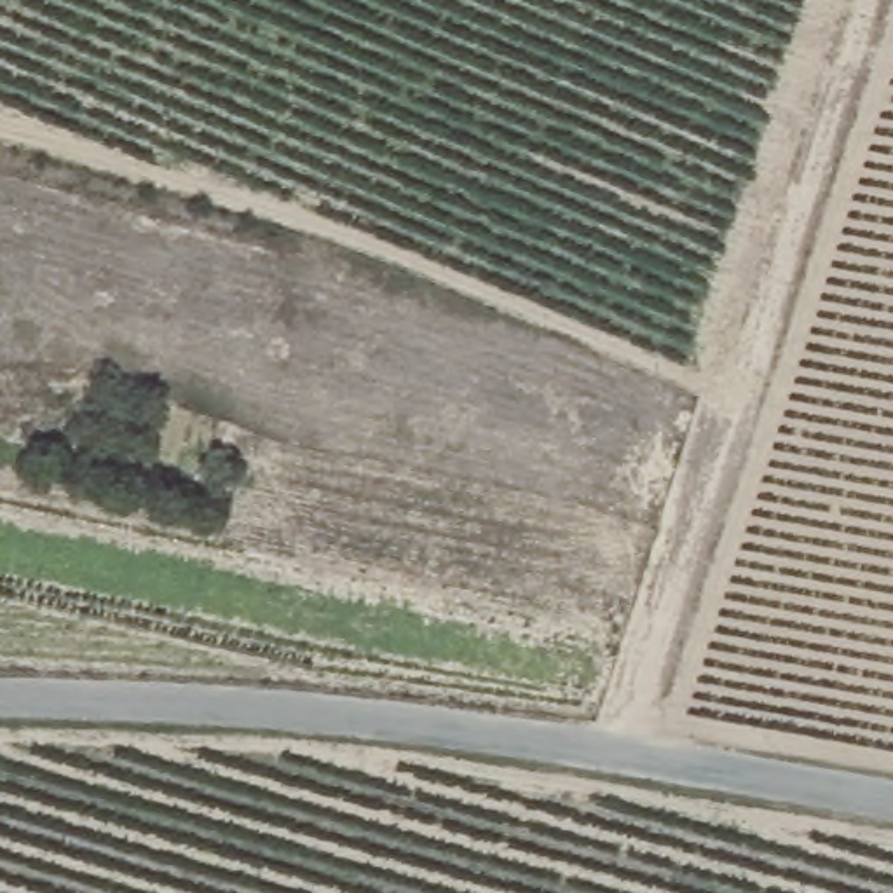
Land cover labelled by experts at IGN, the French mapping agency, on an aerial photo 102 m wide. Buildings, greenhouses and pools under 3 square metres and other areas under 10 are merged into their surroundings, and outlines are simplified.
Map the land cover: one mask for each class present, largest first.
<instances>
[{"label":"vineyard","instance_id":"1","mask_svg":"<svg viewBox=\"0 0 893 893\"><path fill-rule=\"evenodd\" d=\"M806 0H0V105L42 119L49 126L70 129L101 147L122 150L153 167H209L251 192H269L283 202H297L307 213L373 234L453 272L492 283L506 293L527 297L596 331L617 335L645 352L687 363L694 356V331L715 262L726 251V234L736 220L740 192L746 188V181H753L757 143L767 126L764 98L778 84L785 49L795 35V21ZM841 59L855 66L848 105L830 147L827 174L809 209V223L795 255V272L781 303V321L767 359L771 366H778V377L764 405L736 499L729 506V520L726 527L708 523L701 551L694 558L691 586L673 628V642L656 694V715L642 743L656 750H684L687 736L698 733L705 740L753 746V760L771 757L781 764L893 781V0H862L851 10L841 45ZM0 523L59 537H91L101 544H119L126 551H160L174 558L209 562L227 572L255 576L265 583H286L338 600H394L398 607H412L415 614L433 621L474 624V631L485 638L509 635L520 649L544 645L555 666V673L541 680L460 659H426L387 649H377V659L370 663L356 659V642H345L338 635L293 631L269 621L216 614L188 603H174V610H164L140 603V596L133 593L94 596L84 593V583H24L0 576V677L220 684L370 701H408L541 722H593L607 705V694H614L624 680V663L617 659L621 645L607 642V624L600 614H537L534 624H523L520 617L506 614L502 600L471 590H422L405 576L384 569L380 562H356L342 551H314L303 537L293 548V558H279L258 548L230 551L234 537L223 530L195 534L188 527L157 523L147 513H105L94 502L70 499L63 485L49 492H31L14 474V467H0ZM0 893H893V851L823 830H799L781 844L729 823H705L684 813L638 806L617 795H586L572 806L405 760L391 778H377L303 753L255 757L209 746L192 750L185 764L136 746L66 750L52 743H10L0 753Z\"/></svg>","mask_w":893,"mask_h":893},{"label":"herbaceous vegetation","instance_id":"2","mask_svg":"<svg viewBox=\"0 0 893 893\"><path fill-rule=\"evenodd\" d=\"M359 251L338 241L262 220L244 209L216 206L209 195L157 188L150 181L94 171L87 164L52 157L35 147L0 140V440L24 443L38 429H63L66 415L80 408L84 387L101 356L115 359L122 370L133 373H160L167 380V422L160 429V460L178 467L192 481L202 478L199 447L209 440L234 443L248 460L251 485L237 488L223 530L234 537L230 551L258 548L279 558H293V548L303 537L314 551H342L356 562H380L384 569L405 576L422 590H471L502 600L506 614L520 617L523 624H534L537 614H600L607 624V642L621 645L659 534L663 506L649 502V509H638V495L614 488V467L624 464L628 450L642 436H652L663 422L677 419L680 412H694V391L666 377L645 373L607 352H596L593 345L565 331L530 324L506 310L495 314L492 324H481L443 314L440 307H419L408 297H387L366 276H349V265ZM0 576L24 583H84V593L94 596L133 593L140 596V603L164 610H174V603H188L216 614L269 621L293 631L338 635L345 642H356V659L370 663L377 659V649H387L426 659H460L541 680L555 673V666L544 645L520 649L509 635L485 638L474 631V624L433 621L415 614L412 607H398L394 600H338L286 583H265L255 576L227 572L209 562L174 558L160 551H126L119 544H101L91 537H59L0 523ZM0 729L262 736L331 746L415 750L492 767L610 781L680 799H705L743 809L820 816L855 827L893 830V820L806 802L757 799L740 792L670 785L656 778L509 753L464 750L429 740L342 736L272 726L0 715Z\"/></svg>","mask_w":893,"mask_h":893},{"label":"plowed land","instance_id":"3","mask_svg":"<svg viewBox=\"0 0 893 893\"><path fill-rule=\"evenodd\" d=\"M862 0H806L795 21V35L785 49L778 84L764 98L767 126L757 143L753 181H746V188L740 192L736 220L726 234V251L715 262L694 331V356L687 363L645 352L617 335L596 331L527 297L506 293L492 283L453 272L373 234L307 213L297 202H283L269 192H251L209 167H153L122 150L101 147L70 129L49 126L42 119L0 105V140L35 147L52 157L87 164L94 171L150 181L157 188L209 195L216 206L244 209L262 220L338 241L359 251L349 265V276H366L387 297H408L419 307H440L443 314L481 324H492L495 314L506 310L530 324L565 331L593 345L596 352H607L645 373L666 377L694 391V412H680L677 419L663 422L652 436H642L628 450L624 464L614 467V488L638 495V509H649V502L663 506L659 534L621 645L617 659L624 663V680L614 694H607V705L593 722L596 733L642 743L656 715V694L673 642V628L691 586L694 558L701 551L708 523L726 527L729 520V506L736 499L764 405L778 377V366H771L767 359L781 321V303L795 272V255L809 223V209L827 174L830 147L848 105L855 66L841 59V45L851 10ZM10 743H52L66 750L136 746L185 764L192 750L209 746L255 757L303 753L377 778H391L405 760L572 806L586 795H617L638 806L684 813L705 823H729L781 844L799 830H823L893 851V830L855 827L820 816L743 809L705 799H680L610 781L492 767L415 750L331 746L262 736L0 729V753Z\"/></svg>","mask_w":893,"mask_h":893},{"label":"impervious surface","instance_id":"4","mask_svg":"<svg viewBox=\"0 0 893 893\"><path fill-rule=\"evenodd\" d=\"M0 715L272 726L342 736L429 740L464 750L509 753L656 778L670 785L740 792L757 799L806 802L893 820V781L781 764L771 757L753 760V746L705 740L698 733L687 736L684 750H656L642 743L596 733L593 722H541L408 701H370L220 684L0 677Z\"/></svg>","mask_w":893,"mask_h":893},{"label":"deciduous trees","instance_id":"5","mask_svg":"<svg viewBox=\"0 0 893 893\"><path fill-rule=\"evenodd\" d=\"M167 422V380L160 373H133L122 370L115 359L101 356L84 387L80 408L66 415L63 429H38L24 443L0 440V467H14V474L31 492H49L63 485L70 499L94 502L105 513H147L157 523L188 527L195 534L223 530L237 488L251 485L248 460L234 443L209 440L199 447L202 478L192 481L178 467L160 460V429Z\"/></svg>","mask_w":893,"mask_h":893}]
</instances>
